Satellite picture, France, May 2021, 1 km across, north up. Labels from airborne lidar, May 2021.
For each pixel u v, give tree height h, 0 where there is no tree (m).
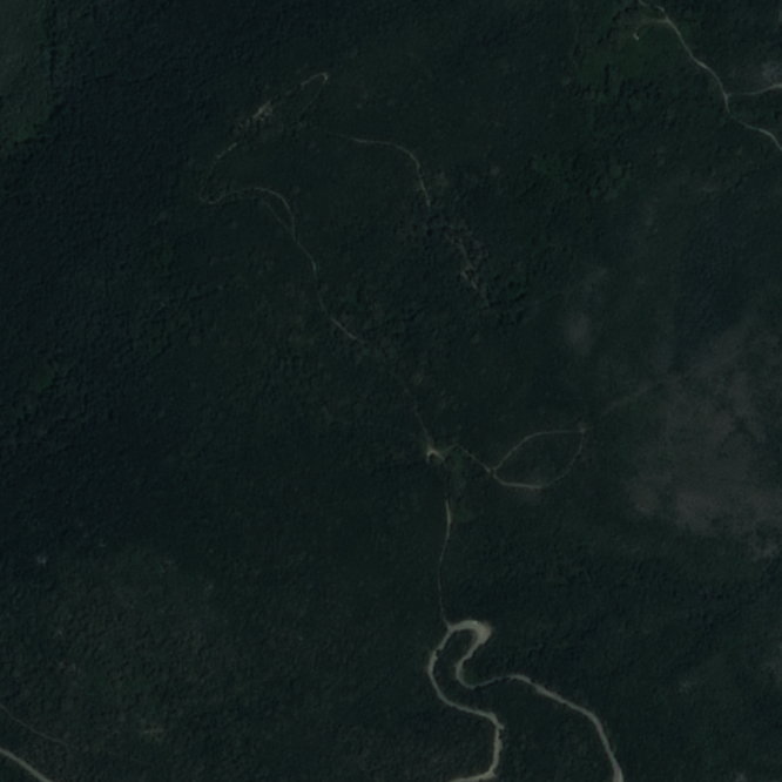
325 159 8
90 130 19
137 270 9
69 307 16
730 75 6
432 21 9
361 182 8
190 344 14
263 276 8
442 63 13
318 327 7
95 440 16
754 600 6
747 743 8
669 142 6
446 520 6
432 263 11
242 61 9
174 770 6
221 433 10
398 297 16
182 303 9
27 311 17
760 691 10
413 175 7
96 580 6
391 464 11
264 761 8
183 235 10
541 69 13
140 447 13
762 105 8
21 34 6
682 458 0
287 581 9
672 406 0
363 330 7
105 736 7
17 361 16
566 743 11
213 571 9
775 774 10
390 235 15
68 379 14
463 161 8
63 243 12
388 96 10
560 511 10
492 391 8
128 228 11
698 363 0
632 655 12
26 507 14
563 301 6
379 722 9
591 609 8
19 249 22
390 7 9
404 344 10
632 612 8
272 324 9
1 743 8
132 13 14
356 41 8
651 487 0
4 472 13
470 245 12
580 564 14
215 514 10
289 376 13
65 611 8
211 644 6
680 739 10
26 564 11
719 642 7
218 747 11
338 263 7
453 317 10
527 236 6
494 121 9
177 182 11
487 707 9
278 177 7
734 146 7
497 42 15
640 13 15
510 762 6
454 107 6
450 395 7
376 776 12
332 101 8
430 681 10
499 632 5
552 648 12
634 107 13
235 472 7
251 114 6
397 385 8
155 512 12
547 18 7
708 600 14
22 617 7
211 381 9
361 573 6
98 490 12
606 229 6
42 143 23
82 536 13
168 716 6
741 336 0
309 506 8
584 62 11
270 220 6
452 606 9
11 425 13
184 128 12
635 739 7
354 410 10
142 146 15
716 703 8
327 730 6
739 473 0
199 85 9
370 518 8
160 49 15
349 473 8
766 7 13
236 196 7
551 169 7
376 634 11
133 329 11
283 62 10
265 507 9
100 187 11
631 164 11
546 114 7
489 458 6
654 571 18
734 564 7
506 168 8
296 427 12
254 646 8
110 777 7
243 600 7
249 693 8
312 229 8
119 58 13
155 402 9
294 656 8
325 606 6
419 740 8
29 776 9
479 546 12
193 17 19
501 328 14
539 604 7
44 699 6
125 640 7
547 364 6
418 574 9
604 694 9
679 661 11
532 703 8
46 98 11
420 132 7
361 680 9
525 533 11
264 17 13
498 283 14
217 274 6
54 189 17
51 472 15
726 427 0
